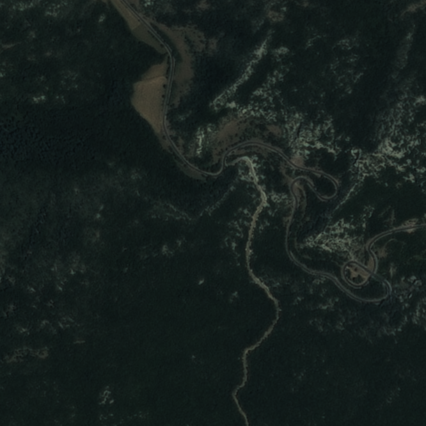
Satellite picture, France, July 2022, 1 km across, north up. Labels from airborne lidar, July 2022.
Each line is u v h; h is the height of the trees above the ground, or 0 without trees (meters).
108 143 22
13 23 7
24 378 8
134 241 10
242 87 10
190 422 11
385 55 10
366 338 6
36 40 9
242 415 8
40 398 6
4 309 16
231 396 11
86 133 16
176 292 11
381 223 6
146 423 6
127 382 6
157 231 9
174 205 7
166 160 9
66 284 7
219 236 6
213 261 10
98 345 7
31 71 7
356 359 8
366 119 6
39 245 9
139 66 11
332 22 7
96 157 21
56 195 8
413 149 6
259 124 6
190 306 7
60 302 6
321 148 8
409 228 0
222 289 13
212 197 7
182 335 10
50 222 8
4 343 8
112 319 8
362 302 12
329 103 6
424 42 8
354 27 6
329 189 11
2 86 6
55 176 7
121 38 8
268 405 8
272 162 6
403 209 11
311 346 7
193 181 21
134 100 0
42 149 26
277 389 9
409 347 6
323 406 6
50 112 15
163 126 0
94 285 8
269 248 9
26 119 13
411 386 7
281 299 8
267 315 9
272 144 6
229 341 8
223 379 11
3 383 7
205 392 12
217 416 6
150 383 12
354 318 8
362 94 7
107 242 6
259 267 6
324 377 7
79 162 22
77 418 9
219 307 9
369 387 9
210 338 9
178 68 0
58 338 6
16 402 6
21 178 8
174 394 11
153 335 7
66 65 7
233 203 8
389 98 6
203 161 9
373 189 9
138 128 11
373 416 8
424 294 11
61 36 9
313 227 8
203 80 10
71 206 6
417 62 6
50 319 8
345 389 7
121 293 7
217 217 8
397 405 7
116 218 7
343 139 7
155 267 9
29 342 6
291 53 7
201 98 10
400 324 6
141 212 7
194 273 7
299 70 7
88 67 9
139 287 8
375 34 10
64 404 6
